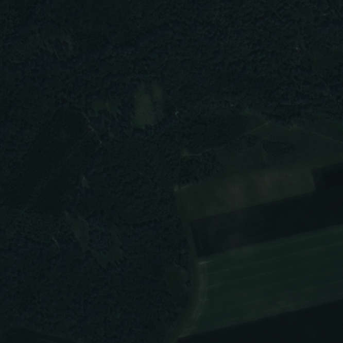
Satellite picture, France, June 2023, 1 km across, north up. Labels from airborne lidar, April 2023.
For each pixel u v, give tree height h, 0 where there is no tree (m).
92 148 16
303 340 0
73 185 16
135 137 15
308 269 0
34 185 17
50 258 30
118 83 28
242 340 0
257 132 0
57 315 25
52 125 16
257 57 19
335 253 0
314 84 26
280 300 0
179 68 22
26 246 27
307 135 0
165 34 27
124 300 30
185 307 0
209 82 20
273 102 16
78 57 24
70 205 27
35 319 21
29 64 26
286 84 15
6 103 12
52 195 16
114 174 19
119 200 18
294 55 26
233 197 0
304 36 25
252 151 0
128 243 29
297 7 27
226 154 0
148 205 22
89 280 28
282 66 11
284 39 23
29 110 24
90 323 26
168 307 16
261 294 0
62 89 23
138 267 27
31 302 22
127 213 19
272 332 0
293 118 17
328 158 0
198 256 0
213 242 0
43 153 17
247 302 0
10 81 27
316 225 0
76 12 28
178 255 9
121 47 28
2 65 29
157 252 28
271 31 25
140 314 23
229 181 0
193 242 0
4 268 22
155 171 23
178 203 0
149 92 0
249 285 0
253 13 20
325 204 0
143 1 26
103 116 24
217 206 0
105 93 28
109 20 27
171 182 21
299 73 28
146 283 27
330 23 24
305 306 0
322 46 25
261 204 0
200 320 0
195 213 0
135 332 27
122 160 19
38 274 10
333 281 0
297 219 0
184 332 0
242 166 0
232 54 19
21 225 14
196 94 22
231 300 0
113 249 0
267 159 0
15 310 17
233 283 0
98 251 11
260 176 0
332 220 0
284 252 0
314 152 0
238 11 20
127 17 24
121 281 27
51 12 28
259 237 0
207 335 0
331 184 0
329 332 0
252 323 0
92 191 25
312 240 0
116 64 29
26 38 26
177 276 0
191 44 26
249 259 0
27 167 18
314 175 0
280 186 0
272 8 10
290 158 0
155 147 17
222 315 0
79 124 16
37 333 0
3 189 17
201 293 0
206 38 27
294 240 0
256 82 15
